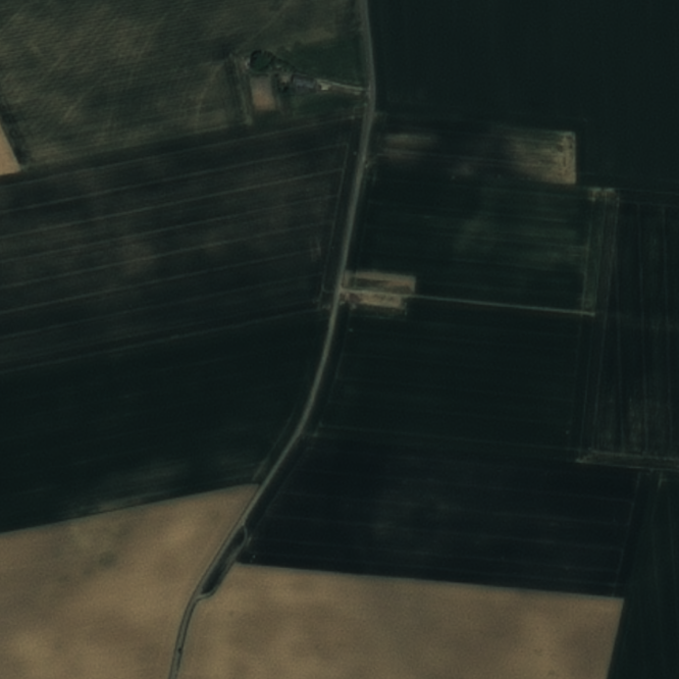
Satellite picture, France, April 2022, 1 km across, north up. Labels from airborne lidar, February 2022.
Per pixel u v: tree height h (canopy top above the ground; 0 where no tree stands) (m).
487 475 0
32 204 0
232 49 0
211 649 0
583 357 0
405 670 0
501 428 0
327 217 0
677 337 0
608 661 0
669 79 0
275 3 0
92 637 0
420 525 0
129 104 0
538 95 0
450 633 0
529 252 0
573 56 0
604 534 0
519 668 0
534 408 0
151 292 0
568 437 0
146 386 0
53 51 0
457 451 0
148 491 0
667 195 0
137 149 0
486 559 0
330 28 0
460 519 0
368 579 0
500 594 0
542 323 0
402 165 0
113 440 0
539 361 0
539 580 0
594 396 0
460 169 0
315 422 0
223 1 0
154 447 0
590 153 0
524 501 0
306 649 0
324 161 0
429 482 0
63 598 0
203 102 0
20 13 0
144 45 0
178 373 0
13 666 0
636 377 0
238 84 0
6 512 0
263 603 0
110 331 0
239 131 0
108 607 0
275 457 0
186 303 0
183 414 0
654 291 0
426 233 0
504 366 0
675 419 0
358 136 0
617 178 0
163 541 0
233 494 0
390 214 0
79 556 0
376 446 0
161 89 0
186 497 0
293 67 7
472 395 0
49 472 0
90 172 0
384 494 0
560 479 0
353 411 0
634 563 0
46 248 0
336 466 0
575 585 0
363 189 0
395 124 0
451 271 0
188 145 0
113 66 0
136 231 0
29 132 0
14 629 0
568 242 0
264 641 0
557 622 0
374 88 0
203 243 0
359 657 0
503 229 0
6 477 0
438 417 0
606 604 0
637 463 0
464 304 0
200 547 0
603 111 0
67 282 0
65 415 0
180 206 0
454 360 0
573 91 0
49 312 0
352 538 0
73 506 0
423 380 0
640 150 0
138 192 0
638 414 0
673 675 0
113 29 0
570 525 0
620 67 0
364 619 0
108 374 0
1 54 0
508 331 0
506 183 0
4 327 0
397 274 0
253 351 0
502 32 0
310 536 0
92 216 0
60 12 0
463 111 0
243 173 0
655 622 0
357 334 0
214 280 0
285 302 0
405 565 0
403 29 0
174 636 0
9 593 0
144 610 0
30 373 0
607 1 0
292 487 0
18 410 0
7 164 0
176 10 0
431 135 0
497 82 0
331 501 0
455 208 0
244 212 0
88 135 0
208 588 0
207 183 0
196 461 0
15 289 0
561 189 0
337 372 0
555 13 0
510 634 0
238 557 0
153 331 0
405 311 0
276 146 0
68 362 0
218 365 0
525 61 0
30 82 0
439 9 0
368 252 0
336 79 0
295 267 0
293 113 0
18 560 0
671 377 0
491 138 0
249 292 0
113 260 0
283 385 0
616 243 0
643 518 0
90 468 0
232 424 0
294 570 0
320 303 0
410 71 0
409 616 0
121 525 0
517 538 0
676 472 0
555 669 0
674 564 0
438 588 0
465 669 0
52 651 0
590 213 0
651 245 0
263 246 0
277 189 0
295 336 0
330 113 0
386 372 0
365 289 0
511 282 0
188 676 0
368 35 0
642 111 0
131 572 0
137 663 0
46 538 0
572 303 0
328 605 0
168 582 0
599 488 0
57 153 0
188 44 0
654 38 0
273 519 0
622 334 0
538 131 0
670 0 0
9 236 0
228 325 0
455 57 0
